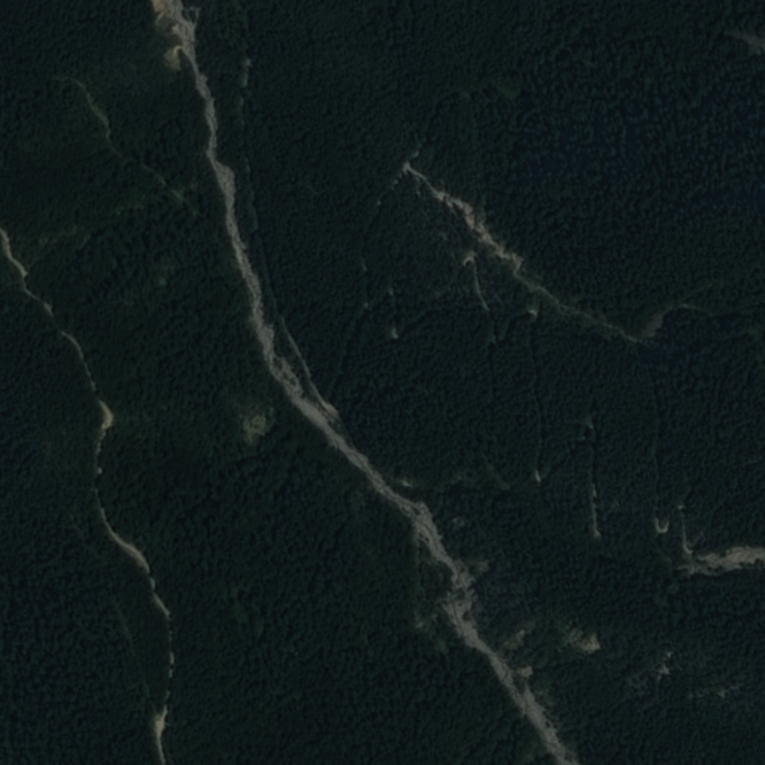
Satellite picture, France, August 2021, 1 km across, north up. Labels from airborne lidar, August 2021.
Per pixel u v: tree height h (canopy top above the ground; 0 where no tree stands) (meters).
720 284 21
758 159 14
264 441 22
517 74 31
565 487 12
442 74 18
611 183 24
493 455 12
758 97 17
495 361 21
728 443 21
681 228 13
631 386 24
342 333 20
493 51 19
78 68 19
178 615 12
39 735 11
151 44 17
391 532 27
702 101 7
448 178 11
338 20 16
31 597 9
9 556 16
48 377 20
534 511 13
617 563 16
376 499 9
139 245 21
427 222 6
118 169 15
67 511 6
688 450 20
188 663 16
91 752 15
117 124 15
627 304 22
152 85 13
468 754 6
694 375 20
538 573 17
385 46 25
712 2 27
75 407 18
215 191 11
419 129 15
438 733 17
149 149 10
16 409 22
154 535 12
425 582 9
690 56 23
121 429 13
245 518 24
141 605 12
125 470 19
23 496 16
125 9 25
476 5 18
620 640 25
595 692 13
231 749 16
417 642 25
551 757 18
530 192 15
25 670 22
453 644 9
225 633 15
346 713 23
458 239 13
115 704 12
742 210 17
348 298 18
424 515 0
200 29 7
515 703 9
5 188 16
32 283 16
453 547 8
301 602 19
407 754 21
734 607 20
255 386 19
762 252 14
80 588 20
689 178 19
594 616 14
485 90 7
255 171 14
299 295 19
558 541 18
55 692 23
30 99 16
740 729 14
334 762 18
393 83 23
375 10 16
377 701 23
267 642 27
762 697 20
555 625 6
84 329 18
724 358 27
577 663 10
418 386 24
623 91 23
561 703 10
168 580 16
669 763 31
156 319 19
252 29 16
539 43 27
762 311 22
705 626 24
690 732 18
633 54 19
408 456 23
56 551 22
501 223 12
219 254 26
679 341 20
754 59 18
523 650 19
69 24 26
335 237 16
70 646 17
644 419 21
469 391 24
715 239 15
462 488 12
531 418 21
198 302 16
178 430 13
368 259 12
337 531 18
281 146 22
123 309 19
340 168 17
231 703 16
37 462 7
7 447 20
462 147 12
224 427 17
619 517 15
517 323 21
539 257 13
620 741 29
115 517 18
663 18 23
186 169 20
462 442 19
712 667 13
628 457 25
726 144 27
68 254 8
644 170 29
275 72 20
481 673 14
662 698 17
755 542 8
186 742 13
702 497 21
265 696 20
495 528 15
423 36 27
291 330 16
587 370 25
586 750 14
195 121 9
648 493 17
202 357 26
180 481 24
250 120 15
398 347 25
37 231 8
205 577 27
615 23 25
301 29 10
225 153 10
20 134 15
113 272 13
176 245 12
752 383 24
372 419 22
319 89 23
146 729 13
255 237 15
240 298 16
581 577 25
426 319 23
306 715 21
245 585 12
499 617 11
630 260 27
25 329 17
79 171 17
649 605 26
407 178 10
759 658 23
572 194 10
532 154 21
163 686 11
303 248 18
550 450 21
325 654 21
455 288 9
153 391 13
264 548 15
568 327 20
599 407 20
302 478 32
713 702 14
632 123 18
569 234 18
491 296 15
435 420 18
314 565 16
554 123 12
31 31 30
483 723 11
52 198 11
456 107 20
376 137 16
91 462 8
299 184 15
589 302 13
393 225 12
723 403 28
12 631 17
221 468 12
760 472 14
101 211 9
